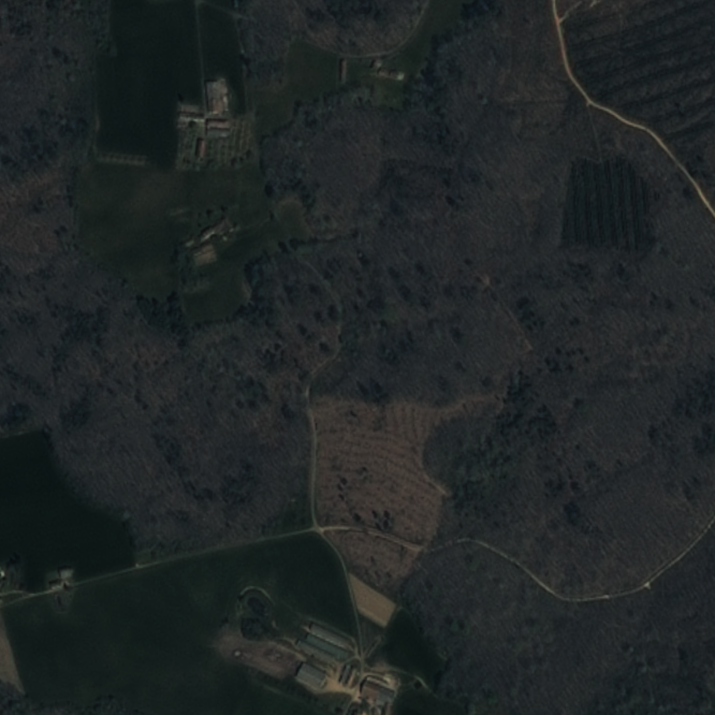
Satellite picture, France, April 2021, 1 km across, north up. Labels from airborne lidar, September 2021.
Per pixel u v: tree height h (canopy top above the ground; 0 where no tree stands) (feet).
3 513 0
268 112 0
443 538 37
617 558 55
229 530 41
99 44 36
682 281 60
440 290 61
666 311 43
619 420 51
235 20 0
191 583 0
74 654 0
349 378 47
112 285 41
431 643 34
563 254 40
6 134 59
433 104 74
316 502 0
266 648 0
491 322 47
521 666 42
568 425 33
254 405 46
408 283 51
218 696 0
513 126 43
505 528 31
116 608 0
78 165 55
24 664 0
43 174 78
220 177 0
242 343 49
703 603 33
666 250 58
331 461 0
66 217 35
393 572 0
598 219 20
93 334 37
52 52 36
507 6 38
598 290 28
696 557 30
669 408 46
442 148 49
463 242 24
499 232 42
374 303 35
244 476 52
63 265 51
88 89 25
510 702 38
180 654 0
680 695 21
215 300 0
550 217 42
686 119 69
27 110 55
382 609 0
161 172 0
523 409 55
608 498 54
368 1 54
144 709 0
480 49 60
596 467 54
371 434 0
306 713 0
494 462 26
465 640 54
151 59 0
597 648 48
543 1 18
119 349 40
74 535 0
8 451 0
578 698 45
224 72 0
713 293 57
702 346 50
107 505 41
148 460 38
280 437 68
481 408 39
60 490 0
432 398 40
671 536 57
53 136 68
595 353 35
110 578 0
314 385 37
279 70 43
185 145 24
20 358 45
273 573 0
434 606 51
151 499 29
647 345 31
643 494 52
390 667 0
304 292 71
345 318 35
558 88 18
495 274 23
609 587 65
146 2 0
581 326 51
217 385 38
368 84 0
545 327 45
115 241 0
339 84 0
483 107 31
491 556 43
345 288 31
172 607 0
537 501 49
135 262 0
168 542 42
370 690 0
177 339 36
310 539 0
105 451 40
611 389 53
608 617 45
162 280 0
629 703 54
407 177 24
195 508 42
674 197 59
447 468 40
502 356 46
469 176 57
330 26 65
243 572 0
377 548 0
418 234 46
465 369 59
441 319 39
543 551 43
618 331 52
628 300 38
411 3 51
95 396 36
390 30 73
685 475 57
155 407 42
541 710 45
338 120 52
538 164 41
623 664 46
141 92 0
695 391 47
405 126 38
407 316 44
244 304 0
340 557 0
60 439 49
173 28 0
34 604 0
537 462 31
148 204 0
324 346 32
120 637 0
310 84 0
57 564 0
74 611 0
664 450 51
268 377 64
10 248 22
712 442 89
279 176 50
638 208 25
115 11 0
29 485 0
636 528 65
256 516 52
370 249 36
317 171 38
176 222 0
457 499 36
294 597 0
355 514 0
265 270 68
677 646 30
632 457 62
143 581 0
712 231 54
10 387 46
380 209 57
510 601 47
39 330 39
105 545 0
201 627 0
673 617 33
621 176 18
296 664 0
